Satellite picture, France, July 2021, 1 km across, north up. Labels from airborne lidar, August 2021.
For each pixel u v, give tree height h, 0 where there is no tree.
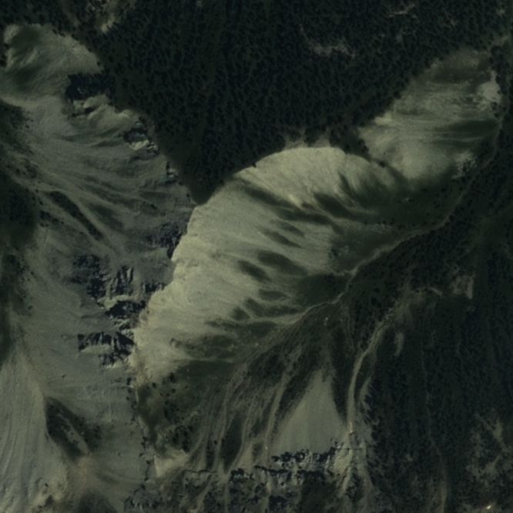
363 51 24
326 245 0
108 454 0
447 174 0
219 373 0
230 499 0
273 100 23
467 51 0
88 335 0
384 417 17
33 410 0
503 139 10
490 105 0
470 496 6
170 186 0
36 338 0
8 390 0
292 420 0
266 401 0
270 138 11
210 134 7
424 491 6
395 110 0
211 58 8
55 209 0
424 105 0
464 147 0
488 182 9
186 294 0
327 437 0
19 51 0
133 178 0
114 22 0
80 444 0
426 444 8
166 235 0
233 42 21
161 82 6
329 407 0
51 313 0
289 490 0
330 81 16
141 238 0
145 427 0
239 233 0
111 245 0
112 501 0
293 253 0
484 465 6
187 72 12
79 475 0
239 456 0
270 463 0
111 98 6
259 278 0
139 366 0
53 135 0
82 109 0
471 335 22
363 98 0
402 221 0
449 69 0
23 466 0
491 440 7
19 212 14
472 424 6
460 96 0
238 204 0
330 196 0
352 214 0
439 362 14
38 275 0
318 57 20
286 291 0
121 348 0
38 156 0
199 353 0
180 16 17
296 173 0
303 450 0
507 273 15
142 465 0
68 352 0
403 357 13
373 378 6
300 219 0
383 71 14
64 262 0
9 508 0
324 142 0
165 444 0
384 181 0
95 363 0
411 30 11
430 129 0
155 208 9
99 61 7
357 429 0
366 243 0
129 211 0
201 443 0
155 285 0
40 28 0
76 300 0
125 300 0
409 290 0
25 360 0
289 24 27
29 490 0
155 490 0
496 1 10
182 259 0
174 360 0
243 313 0
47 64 0
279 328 0
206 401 0
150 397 0
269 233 0
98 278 0
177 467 0
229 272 0
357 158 0
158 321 0
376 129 0
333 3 8
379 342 0
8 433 0
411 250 8
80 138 0
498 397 10
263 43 27
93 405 0
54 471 0
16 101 0
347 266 0
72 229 0
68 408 0
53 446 0
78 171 0
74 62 0
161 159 0
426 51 24
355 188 0
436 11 6
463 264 10
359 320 10
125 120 0
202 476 0
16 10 15
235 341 0
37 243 0
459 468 6
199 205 0
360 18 25
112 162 0
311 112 20
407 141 0
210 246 0
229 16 6
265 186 0
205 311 0
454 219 16
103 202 0
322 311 0
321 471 0
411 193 0
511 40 0
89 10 19
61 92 0
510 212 0
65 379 0
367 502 0
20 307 0
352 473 0
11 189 0
